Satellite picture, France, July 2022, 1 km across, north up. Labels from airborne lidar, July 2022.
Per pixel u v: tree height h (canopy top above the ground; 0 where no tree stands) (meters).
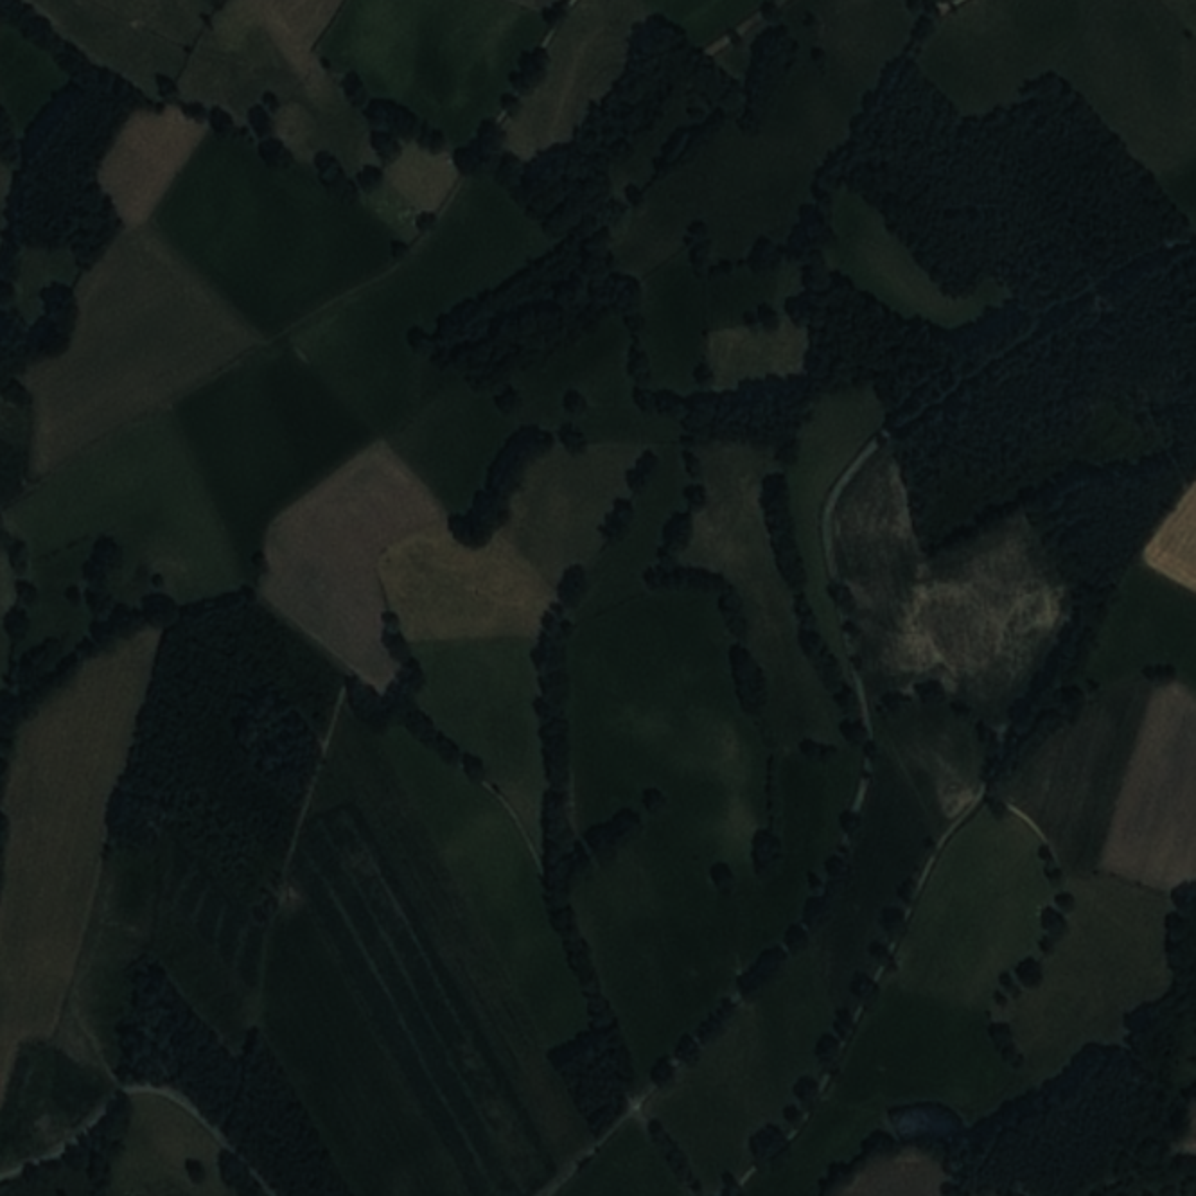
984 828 0
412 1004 0
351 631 0
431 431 0
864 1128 0
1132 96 0
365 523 0
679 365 0
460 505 0
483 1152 0
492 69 0
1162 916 0
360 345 0
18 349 33
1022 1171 25
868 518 0
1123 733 0
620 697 0
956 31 0
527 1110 0
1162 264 25
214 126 19
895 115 18
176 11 0
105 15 0
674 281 0
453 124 0
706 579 16
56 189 26
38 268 0
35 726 0
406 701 23
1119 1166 9
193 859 0
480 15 0
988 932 0
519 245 0
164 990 24
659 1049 0
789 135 0
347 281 0
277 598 0
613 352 0
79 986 0
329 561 0
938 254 18
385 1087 0
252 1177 16
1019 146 14
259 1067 18
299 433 0
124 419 0
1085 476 27
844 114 0
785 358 0
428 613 0
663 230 0
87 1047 0
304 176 0
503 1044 0
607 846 26
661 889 0
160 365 0
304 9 0
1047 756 0
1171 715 0
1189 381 25
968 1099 0
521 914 0
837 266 0
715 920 0
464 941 0
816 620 19
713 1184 0
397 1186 0
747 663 22
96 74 20
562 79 0
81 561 0
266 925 22
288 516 0
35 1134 0
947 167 19
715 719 0
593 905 0
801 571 17
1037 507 21
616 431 0
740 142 0
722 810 0
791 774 0
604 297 21
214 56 0
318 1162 16
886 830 0
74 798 0
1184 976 18
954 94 0
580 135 10
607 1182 0
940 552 9
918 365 34
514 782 0
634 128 8
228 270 0
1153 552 0
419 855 0
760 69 22
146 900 0
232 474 0
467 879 0
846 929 0
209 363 0
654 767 0
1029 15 0
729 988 0
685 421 15
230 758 8
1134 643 0
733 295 0
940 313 0
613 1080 26
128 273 0
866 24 0
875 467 0
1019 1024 0
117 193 0
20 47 0
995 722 0
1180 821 0
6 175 0
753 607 0
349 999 0
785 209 0
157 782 14
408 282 0
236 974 0
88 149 26
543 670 20
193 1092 20
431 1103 0
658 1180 0
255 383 0
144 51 0
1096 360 24
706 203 0
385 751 0
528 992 0
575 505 0
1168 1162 12
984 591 0
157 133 0
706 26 0
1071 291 24
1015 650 0
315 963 0
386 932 0
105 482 0
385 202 0
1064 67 0
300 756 23
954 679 0
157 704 13
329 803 0
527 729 0
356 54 0
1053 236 19
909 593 0
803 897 0
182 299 0
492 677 0
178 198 0
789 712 0
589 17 0
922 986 0
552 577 0
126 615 21
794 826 0
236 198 0
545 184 30
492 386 21
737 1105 0
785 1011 0
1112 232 15
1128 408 22
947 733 0
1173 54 0
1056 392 24
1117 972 0
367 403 0
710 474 0
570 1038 0
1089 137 17
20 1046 0
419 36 0
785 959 17
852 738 20
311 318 0
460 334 17
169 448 0
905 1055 0
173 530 0
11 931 0
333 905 0
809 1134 0
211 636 14
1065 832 0
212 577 0
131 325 0
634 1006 0
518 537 0
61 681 10
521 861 0
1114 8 0
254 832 8
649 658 0
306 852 0
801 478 0
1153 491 26
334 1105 0
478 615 0
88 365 0
